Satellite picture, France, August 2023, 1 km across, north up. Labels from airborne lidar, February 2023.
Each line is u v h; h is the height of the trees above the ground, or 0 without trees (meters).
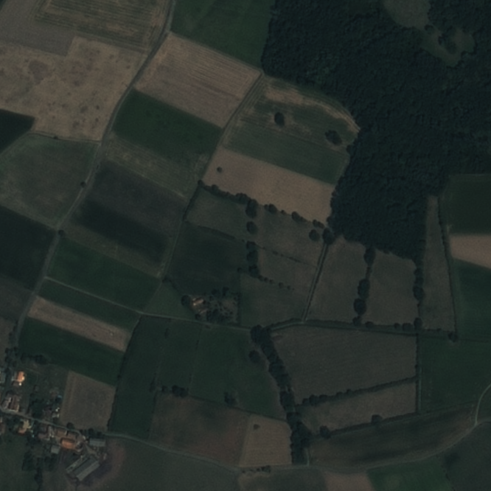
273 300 0
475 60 16
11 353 18
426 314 0
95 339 0
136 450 0
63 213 0
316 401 16
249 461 0
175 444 0
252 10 0
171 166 0
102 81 0
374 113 25
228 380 0
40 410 6
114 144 0
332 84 15
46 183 0
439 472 0
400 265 0
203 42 0
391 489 0
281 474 0
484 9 8
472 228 0
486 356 0
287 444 0
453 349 0
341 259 0
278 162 0
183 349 0
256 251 15
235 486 0
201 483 0
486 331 0
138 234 0
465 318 0
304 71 9
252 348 0
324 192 0
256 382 0
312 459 0
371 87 31
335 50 24
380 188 27
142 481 0
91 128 0
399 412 0
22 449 0
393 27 12
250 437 0
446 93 13
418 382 6
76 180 0
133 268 0
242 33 0
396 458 0
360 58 27
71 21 0
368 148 26
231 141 0
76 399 0
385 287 0
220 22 0
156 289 0
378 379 0
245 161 0
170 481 0
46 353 0
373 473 0
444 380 0
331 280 0
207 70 0
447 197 0
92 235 0
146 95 0
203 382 0
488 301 0
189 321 0
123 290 0
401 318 0
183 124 0
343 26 22
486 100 25
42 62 0
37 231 0
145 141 0
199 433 0
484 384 0
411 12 0
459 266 0
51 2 0
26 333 0
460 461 0
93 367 0
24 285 0
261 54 0
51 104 0
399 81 30
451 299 0
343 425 0
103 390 0
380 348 0
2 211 0
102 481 0
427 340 0
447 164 22
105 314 0
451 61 0
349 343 0
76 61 0
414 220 23
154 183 0
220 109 0
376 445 0
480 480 0
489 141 0
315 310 0
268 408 0
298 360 0
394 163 8
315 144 0
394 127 27
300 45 25
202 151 0
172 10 0
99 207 0
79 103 0
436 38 0
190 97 0
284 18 21
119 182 0
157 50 0
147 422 0
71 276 0
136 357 0
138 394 0
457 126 17
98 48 0
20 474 0
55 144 0
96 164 0
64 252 0
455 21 18
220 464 0
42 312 0
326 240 17
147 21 0
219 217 0
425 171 9
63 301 0
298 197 0
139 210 0
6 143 0
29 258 0
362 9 0
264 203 0
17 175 0
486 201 0
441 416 0
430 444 0
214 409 0
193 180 0
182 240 0
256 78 0
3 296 0
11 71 0
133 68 0
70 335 0
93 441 0
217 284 0
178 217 0
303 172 0
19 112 0
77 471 0
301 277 0
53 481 0
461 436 0
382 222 24
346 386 0
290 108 0
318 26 22
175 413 0
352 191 24
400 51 23
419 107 26
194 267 0
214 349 0
